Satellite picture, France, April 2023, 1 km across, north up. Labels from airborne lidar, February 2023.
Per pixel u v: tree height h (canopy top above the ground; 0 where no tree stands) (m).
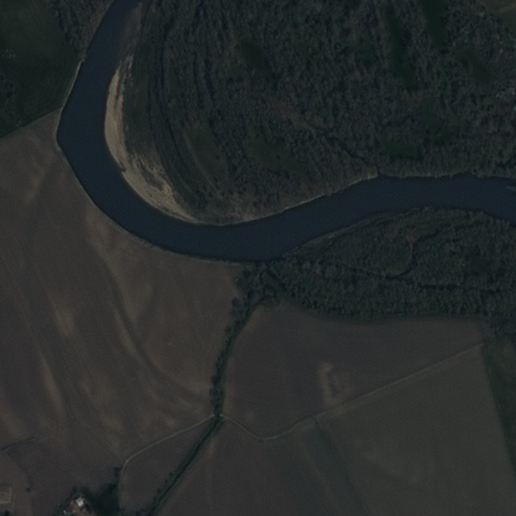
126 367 0
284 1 18
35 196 0
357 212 0
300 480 0
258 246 0
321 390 0
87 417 0
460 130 10
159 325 0
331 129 27
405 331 0
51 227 0
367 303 17
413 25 27
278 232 0
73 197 0
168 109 17
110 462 0
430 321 0
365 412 0
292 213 0
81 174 0
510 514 0
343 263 17
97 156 0
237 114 19
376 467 0
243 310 22
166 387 0
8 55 0
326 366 0
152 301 0
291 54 30
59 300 0
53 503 0
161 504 0
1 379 0
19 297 0
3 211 0
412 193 0
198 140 0
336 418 0
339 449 0
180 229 0
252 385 0
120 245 0
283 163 0
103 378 0
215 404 13
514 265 20
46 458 0
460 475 0
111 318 0
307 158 26
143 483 0
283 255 0
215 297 0
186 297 0
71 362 0
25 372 0
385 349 0
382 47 25
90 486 0
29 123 0
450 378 0
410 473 0
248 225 0
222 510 0
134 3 0
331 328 0
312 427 0
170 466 0
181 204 0
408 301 23
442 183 0
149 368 0
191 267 0
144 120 0
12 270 0
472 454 0
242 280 0
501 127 23
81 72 0
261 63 0
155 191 0
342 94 19
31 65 0
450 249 17
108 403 0
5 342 0
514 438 0
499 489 0
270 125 16
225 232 0
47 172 0
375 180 0
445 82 9
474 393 0
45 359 0
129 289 0
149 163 0
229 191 0
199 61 25
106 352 0
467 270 10
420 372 0
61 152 0
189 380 0
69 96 0
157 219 0
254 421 0
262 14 21
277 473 0
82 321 0
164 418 0
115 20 0
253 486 0
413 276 20
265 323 0
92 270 0
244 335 0
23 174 0
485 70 0
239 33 14
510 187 0
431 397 0
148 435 0
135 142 0
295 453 0
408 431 0
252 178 17
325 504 0
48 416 0
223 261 0
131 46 0
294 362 0
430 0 0
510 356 0
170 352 0
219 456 0
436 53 23
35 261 0
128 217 0
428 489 0
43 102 0
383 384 0
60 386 0
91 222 0
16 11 0
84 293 0
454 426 0
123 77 0
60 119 0
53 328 0
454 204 0
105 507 0
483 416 0
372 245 13
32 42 0
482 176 6
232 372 0
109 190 0
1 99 0
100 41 0
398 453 0
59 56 0
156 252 0
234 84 18
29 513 0
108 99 0
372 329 0
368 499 0
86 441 0
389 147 0
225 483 0
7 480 0
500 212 0
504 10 0
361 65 17
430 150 24
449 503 0
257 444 0
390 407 0
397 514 0
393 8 19
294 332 0
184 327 0
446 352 0
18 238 0
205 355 0
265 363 0
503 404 0
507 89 6
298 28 25
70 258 0
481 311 16
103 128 0
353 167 13
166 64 16
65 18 19
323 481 0
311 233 0
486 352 0
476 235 21
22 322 0
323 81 10
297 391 0
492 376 0
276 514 0
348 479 0
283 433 0
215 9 26
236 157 26
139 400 0
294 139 15
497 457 0
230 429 0
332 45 21
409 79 0
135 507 0
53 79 0
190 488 0
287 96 21
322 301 20
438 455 0
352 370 0
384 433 0
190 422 0
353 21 26
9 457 0
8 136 0
